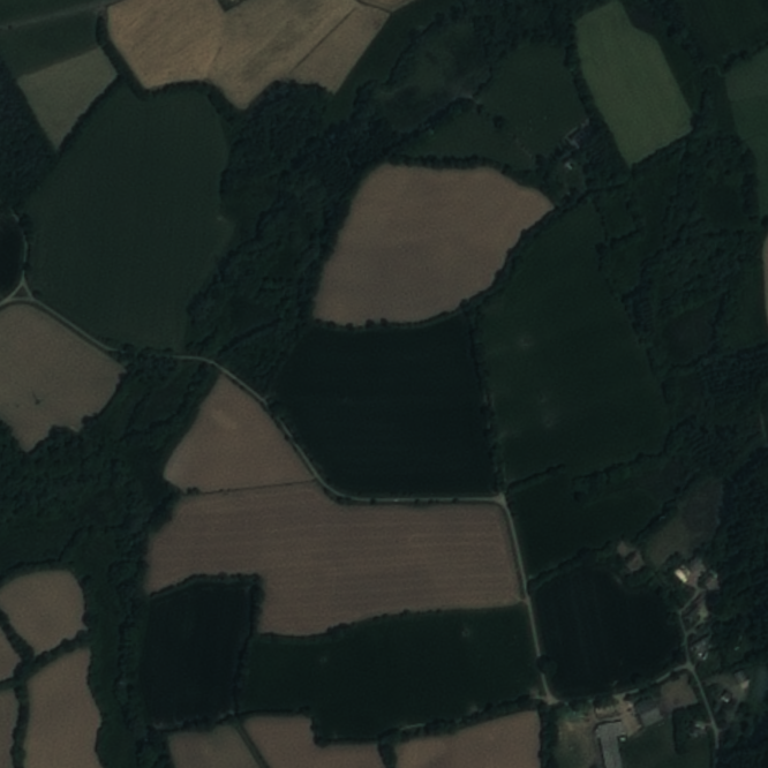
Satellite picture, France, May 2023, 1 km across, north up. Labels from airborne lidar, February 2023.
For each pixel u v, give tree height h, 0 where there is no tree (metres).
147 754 20
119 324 0
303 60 0
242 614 0
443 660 0
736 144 13
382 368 0
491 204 0
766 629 32
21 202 12
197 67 0
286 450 0
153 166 0
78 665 0
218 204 0
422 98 0
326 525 0
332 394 0
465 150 0
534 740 0
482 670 0
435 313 0
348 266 0
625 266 0
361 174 18
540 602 0
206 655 0
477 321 17
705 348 0
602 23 0
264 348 10
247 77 0
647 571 11
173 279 0
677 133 0
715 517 0
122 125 0
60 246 0
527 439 0
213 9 0
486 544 0
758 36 0
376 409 0
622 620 0
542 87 0
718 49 0
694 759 0
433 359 0
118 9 0
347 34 0
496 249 0
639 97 0
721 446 30
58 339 0
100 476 10
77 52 0
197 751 0
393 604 0
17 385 0
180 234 0
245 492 0
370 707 0
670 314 14
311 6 0
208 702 0
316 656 0
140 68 0
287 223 16
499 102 0
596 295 0
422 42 25
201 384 14
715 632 11
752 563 22
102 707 8
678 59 0
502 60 15
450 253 0
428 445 0
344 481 0
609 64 0
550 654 0
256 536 0
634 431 0
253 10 0
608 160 13
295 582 0
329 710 0
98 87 0
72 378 0
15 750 8
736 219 0
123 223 0
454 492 0
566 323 0
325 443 0
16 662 0
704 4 0
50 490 12
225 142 0
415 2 0
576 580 0
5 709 0
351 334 15
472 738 0
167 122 0
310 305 17
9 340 0
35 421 0
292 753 0
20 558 0
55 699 0
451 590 0
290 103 20
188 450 0
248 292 23
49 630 0
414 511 0
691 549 0
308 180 8
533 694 0
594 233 0
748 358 17
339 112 0
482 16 10
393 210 0
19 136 14
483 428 0
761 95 0
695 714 11
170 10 0
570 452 0
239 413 0
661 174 0
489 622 0
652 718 0
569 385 0
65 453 12
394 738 13
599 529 0
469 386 0
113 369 0
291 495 0
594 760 0
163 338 0
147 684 0
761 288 0
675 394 8
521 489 8
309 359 0
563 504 0
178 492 9
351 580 0
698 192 7
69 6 0
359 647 0
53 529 0
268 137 10
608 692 0
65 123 0
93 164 0
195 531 0
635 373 0
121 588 16
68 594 0
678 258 8
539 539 0
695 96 0
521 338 0
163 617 0
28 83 0
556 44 15
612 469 7
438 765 0
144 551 16
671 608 8
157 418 0
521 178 7
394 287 0
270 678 0
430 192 0
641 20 0
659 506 0
